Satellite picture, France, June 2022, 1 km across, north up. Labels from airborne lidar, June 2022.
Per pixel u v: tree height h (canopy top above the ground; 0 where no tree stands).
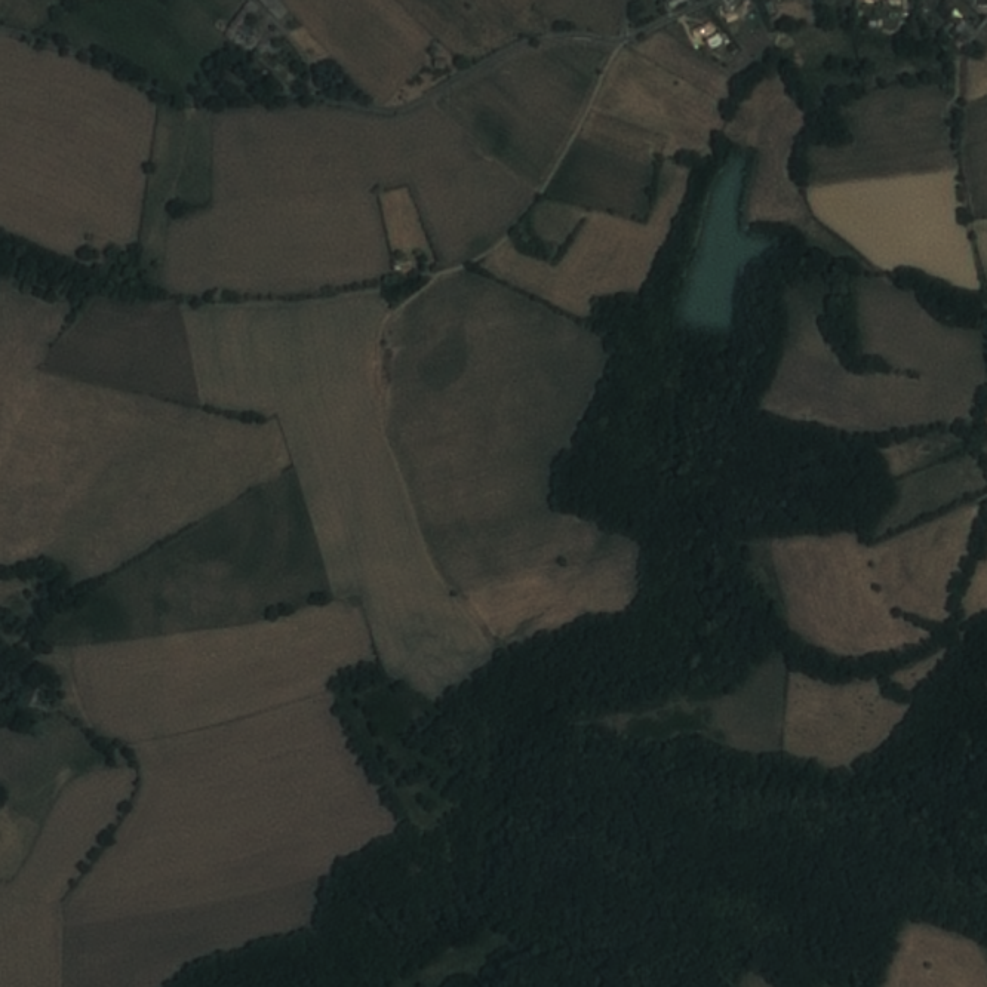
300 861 0
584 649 15
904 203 0
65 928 0
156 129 0
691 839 16
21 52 0
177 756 0
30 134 0
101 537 0
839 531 12
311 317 0
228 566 0
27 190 0
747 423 17
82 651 0
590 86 0
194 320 0
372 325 0
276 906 0
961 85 0
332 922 20
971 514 0
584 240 0
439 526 0
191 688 0
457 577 0
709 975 17
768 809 17
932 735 18
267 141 0
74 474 0
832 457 18
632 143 0
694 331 8
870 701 0
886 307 0
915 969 0
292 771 0
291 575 0
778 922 16
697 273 0
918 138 0
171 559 0
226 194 0
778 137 0
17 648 13
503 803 15
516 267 0
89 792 0
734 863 15
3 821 0
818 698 0
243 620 0
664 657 15
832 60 14
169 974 0
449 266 0
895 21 0
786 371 0
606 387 14
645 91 0
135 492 0
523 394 0
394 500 0
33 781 0
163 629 0
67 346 0
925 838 18
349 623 0
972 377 0
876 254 0
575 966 27
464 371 0
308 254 0
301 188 0
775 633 18
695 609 25
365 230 0
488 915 29
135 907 0
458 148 0
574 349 0
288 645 0
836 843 16
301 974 21
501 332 0
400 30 0
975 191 0
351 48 0
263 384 0
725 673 18
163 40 0
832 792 19
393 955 19
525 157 0
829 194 0
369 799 0
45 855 0
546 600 0
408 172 0
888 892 13
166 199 0
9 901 0
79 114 0
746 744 0
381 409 0
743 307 16
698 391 26
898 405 0
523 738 19
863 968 16
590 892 18
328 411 0
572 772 14
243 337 0
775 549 0
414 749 22
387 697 0
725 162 7
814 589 0
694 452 20
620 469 17
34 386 0
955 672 20
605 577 0
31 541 0
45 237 0
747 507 17
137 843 0
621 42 0
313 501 0
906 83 19
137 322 0
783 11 0
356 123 0
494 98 0
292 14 0
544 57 0
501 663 19
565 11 0
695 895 18
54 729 0
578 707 17
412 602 0
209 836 0
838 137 17
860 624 0
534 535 0
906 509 0
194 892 0
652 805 14
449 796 16
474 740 10
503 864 22
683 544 19
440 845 10
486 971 6
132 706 0
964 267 0
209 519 0
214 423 0
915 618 11
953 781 17
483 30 0
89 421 0
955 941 0
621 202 0
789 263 15
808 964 20
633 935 17
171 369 0
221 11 0
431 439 0
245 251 0
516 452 0
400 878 15
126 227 0
